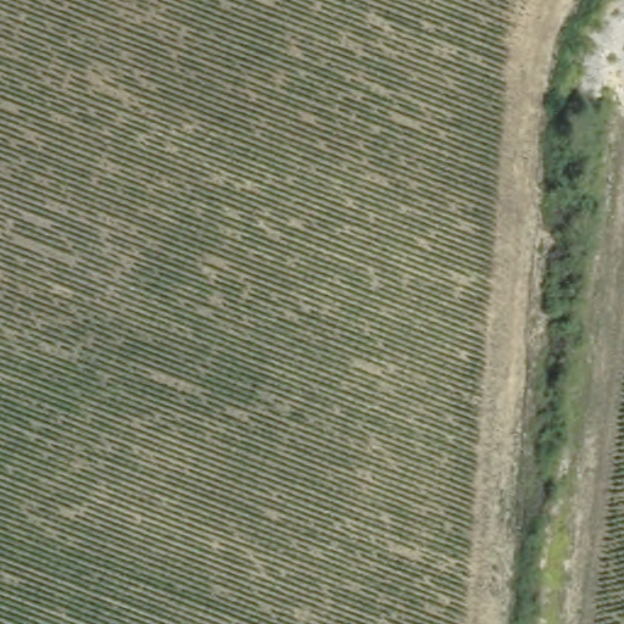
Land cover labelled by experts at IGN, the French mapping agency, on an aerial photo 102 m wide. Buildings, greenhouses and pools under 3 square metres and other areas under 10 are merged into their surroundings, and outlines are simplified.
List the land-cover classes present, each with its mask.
<instances>
[{"label":"vineyard","instance_id":"1","mask_svg":"<svg viewBox=\"0 0 624 624\"><path fill-rule=\"evenodd\" d=\"M512 0H0V624H463L475 495L473 475L478 468L475 444L480 436L478 407L483 405V334L490 300L500 141L505 122V63L509 56L505 37L512 29ZM595 624H624V385Z\"/></svg>","mask_w":624,"mask_h":624},{"label":"herbaceous vegetation","instance_id":"2","mask_svg":"<svg viewBox=\"0 0 624 624\"><path fill-rule=\"evenodd\" d=\"M575 7V0H512V29L505 37L509 56L505 63V122L500 141L490 300L483 334V405L478 407L480 436L475 444L478 468L473 475L475 495L463 624H507L512 607L509 580L514 575L517 536L507 527L512 519L517 458L529 456L534 451L529 434L522 429L536 412L534 390L524 383V358L536 356L546 346L548 322L546 312L541 310V275L553 236L544 229L541 219L544 166L539 137L546 122L544 93L548 90L556 41L566 17ZM605 27L600 32H592L590 37L595 41V51L585 59V73L580 83V93L592 98H617V107L609 112L607 141L602 151L597 185L602 195L595 254L587 263L583 297L580 302H575L573 312L583 319V344L587 346V353L585 358H578L575 366L570 371H563V375L558 378V383L563 385L561 412L566 417V444L561 449L556 468L551 517L541 531V614L536 624H595L624 385V0H612L602 10Z\"/></svg>","mask_w":624,"mask_h":624},{"label":"brushwood","instance_id":"3","mask_svg":"<svg viewBox=\"0 0 624 624\"><path fill-rule=\"evenodd\" d=\"M612 0H575V7L566 17L556 41L548 90L544 93L546 122L539 137L544 166L541 219L544 229L553 236L541 275V310L546 312L548 322L546 346L536 356L524 358V383L534 390L536 412L522 429L529 434L534 451L529 456L517 458L512 519L507 527L517 536L514 575L509 580L512 607L507 624H536L541 614V531L551 517L556 468L561 449L566 444V417L561 412L563 385L558 383V378L563 375V371H570L575 366L578 358H585L587 353V346L583 344V319L573 312L575 302H580L583 297L587 263L595 254L602 195L597 185L602 151L607 141L609 112L617 107V98H592L580 93V83L585 73V59L595 51V41L590 37L592 32H600L605 27L602 10Z\"/></svg>","mask_w":624,"mask_h":624}]
</instances>
